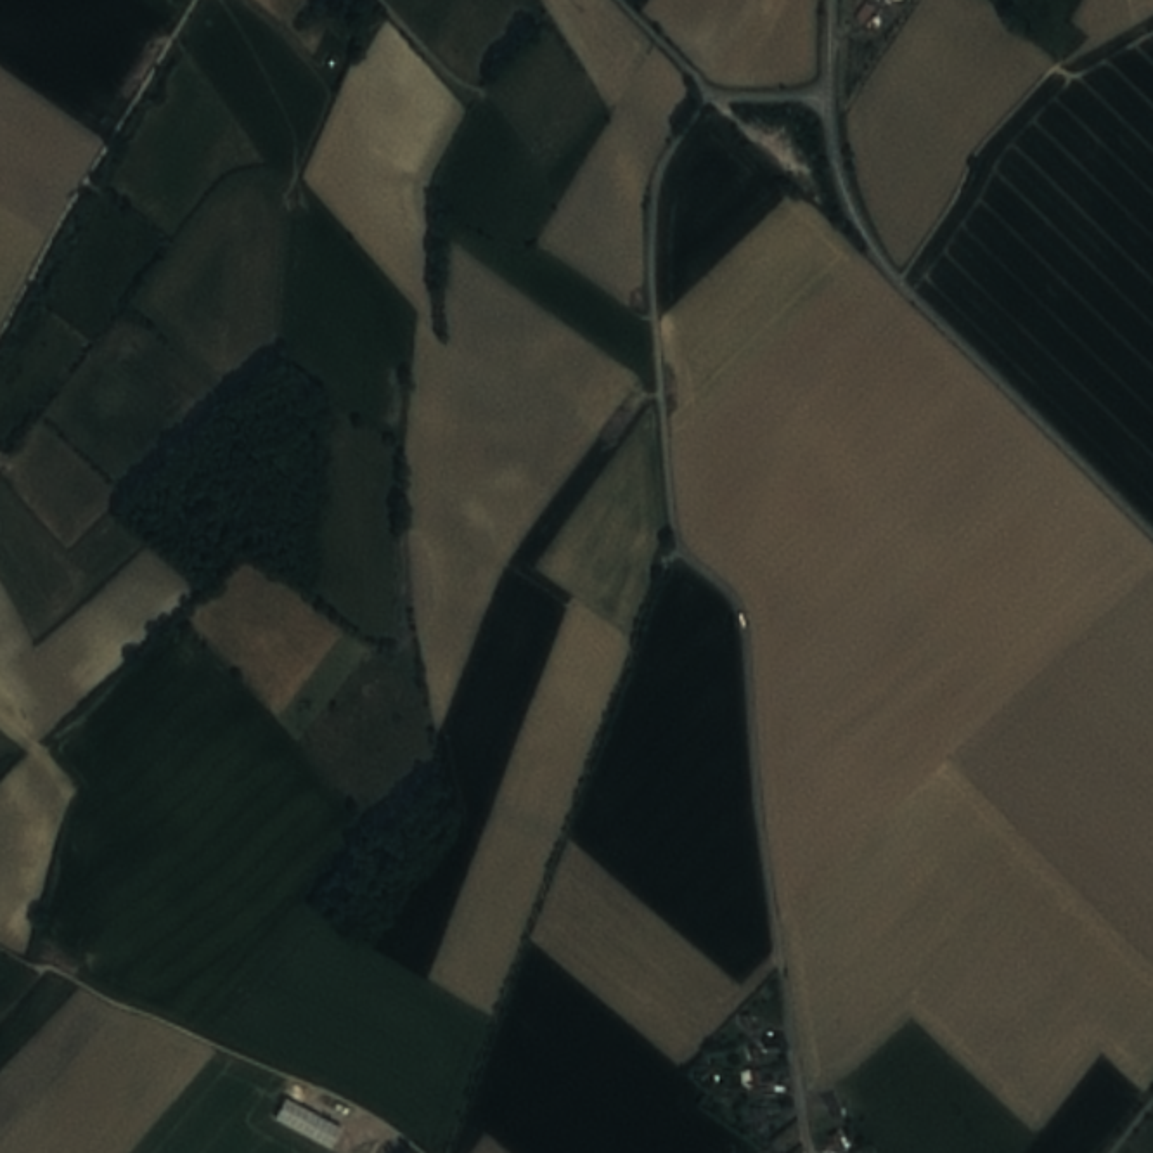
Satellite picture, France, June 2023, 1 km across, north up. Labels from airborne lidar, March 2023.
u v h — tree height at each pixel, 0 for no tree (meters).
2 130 0
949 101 0
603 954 0
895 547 0
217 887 0
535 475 0
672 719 0
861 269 0
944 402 0
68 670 0
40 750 0
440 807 28
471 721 0
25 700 0
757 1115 0
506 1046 0
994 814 0
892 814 0
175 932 0
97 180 11
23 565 0
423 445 0
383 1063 0
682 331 0
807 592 0
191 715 0
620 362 0
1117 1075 0
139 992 0
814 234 0
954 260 0
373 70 0
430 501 0
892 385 0
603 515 0
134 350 0
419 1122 0
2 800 0
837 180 0
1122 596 0
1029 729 0
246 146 0
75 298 0
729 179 0
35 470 0
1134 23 0
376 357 0
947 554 0
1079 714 0
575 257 0
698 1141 0
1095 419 0
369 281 0
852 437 0
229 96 0
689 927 0
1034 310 0
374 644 6
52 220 0
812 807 0
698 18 0
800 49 0
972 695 0
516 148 0
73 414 0
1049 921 0
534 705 0
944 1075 0
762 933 0
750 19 0
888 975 0
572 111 0
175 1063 0
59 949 0
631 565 0
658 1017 0
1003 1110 0
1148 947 0
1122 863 0
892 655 0
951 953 0
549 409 0
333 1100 0
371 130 0
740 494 0
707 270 0
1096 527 0
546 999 0
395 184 0
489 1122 0
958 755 0
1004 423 0
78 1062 0
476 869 0
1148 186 0
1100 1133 0
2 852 0
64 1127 0
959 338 0
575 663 0
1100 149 0
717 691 0
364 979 0
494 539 0
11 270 0
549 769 0
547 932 0
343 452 0
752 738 0
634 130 0
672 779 0
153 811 0
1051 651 0
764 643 0
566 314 0
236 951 0
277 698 0
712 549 0
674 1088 0
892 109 0
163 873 0
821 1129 0
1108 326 0
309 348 0
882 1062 0
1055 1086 0
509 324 0
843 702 0
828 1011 0
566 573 0
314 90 0
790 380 0
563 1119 0
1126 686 0
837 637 0
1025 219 0
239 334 0
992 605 0
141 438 0
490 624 0
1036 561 0
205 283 0
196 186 0
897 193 0
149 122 0
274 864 0
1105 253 0
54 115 0
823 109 0
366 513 0
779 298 0
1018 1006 0
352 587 0
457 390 0
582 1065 0
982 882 0
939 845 0
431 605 0
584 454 0
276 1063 0
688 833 0
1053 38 0
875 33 0
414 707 0
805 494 0
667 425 0
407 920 0
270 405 22
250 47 0
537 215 0
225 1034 0
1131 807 0
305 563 22
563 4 0
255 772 0
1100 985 0
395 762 0
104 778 0
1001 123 0
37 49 0
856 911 0
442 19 0
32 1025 0
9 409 0
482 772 0
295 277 0
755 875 0
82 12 0
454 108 0
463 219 0
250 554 19
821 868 0
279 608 0
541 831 0
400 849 26
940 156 0
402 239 0
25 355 0
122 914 0
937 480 0
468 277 0
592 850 0
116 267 0
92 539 0
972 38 0
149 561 0
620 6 0
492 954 0
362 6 11
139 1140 0
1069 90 0
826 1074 0
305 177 0
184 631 12
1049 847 0
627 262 0
